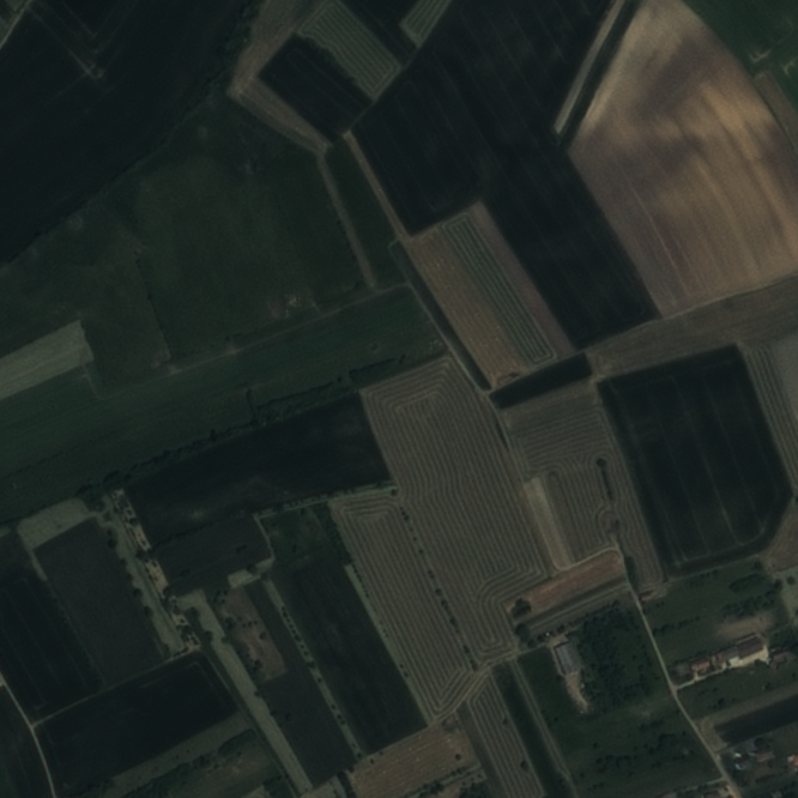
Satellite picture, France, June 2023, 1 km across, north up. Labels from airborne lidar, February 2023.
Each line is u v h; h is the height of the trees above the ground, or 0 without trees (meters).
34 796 0
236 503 0
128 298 0
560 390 0
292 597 0
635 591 0
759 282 0
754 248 0
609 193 0
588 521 0
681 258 0
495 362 0
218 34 0
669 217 0
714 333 0
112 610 0
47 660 0
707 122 0
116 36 0
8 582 0
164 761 0
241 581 0
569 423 0
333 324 0
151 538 0
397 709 0
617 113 0
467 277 0
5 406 0
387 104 0
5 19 0
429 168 0
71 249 0
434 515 0
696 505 0
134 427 0
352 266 0
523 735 0
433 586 0
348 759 0
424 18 0
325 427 0
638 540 0
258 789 0
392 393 0
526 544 0
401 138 0
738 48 0
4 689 0
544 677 0
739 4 0
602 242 0
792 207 0
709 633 0
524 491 0
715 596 0
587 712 0
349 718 0
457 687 0
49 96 0
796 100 0
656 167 0
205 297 0
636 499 0
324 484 0
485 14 0
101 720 0
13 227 0
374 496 0
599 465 7
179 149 0
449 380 0
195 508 0
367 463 0
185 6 0
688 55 0
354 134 0
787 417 0
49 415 0
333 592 0
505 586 0
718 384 0
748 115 0
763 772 0
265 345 0
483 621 0
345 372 0
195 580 0
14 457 0
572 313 0
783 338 0
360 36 0
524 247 0
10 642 0
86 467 0
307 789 0
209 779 0
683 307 0
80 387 0
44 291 0
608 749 0
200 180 0
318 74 0
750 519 0
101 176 0
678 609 0
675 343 0
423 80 0
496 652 0
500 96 0
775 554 0
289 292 0
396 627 0
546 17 0
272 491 0
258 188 0
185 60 0
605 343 0
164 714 0
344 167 0
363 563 0
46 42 0
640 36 0
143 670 0
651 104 0
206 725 0
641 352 0
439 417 0
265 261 0
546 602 0
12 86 0
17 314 0
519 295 0
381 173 0
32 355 0
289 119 0
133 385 0
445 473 0
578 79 0
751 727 0
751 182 0
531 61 0
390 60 0
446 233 0
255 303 0
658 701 0
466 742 0
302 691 0
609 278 0
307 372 0
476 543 0
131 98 0
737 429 0
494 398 0
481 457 0
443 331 0
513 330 0
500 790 0
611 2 0
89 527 0
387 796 0
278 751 0
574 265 0
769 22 0
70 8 0
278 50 0
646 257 0
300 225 0
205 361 0
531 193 0
